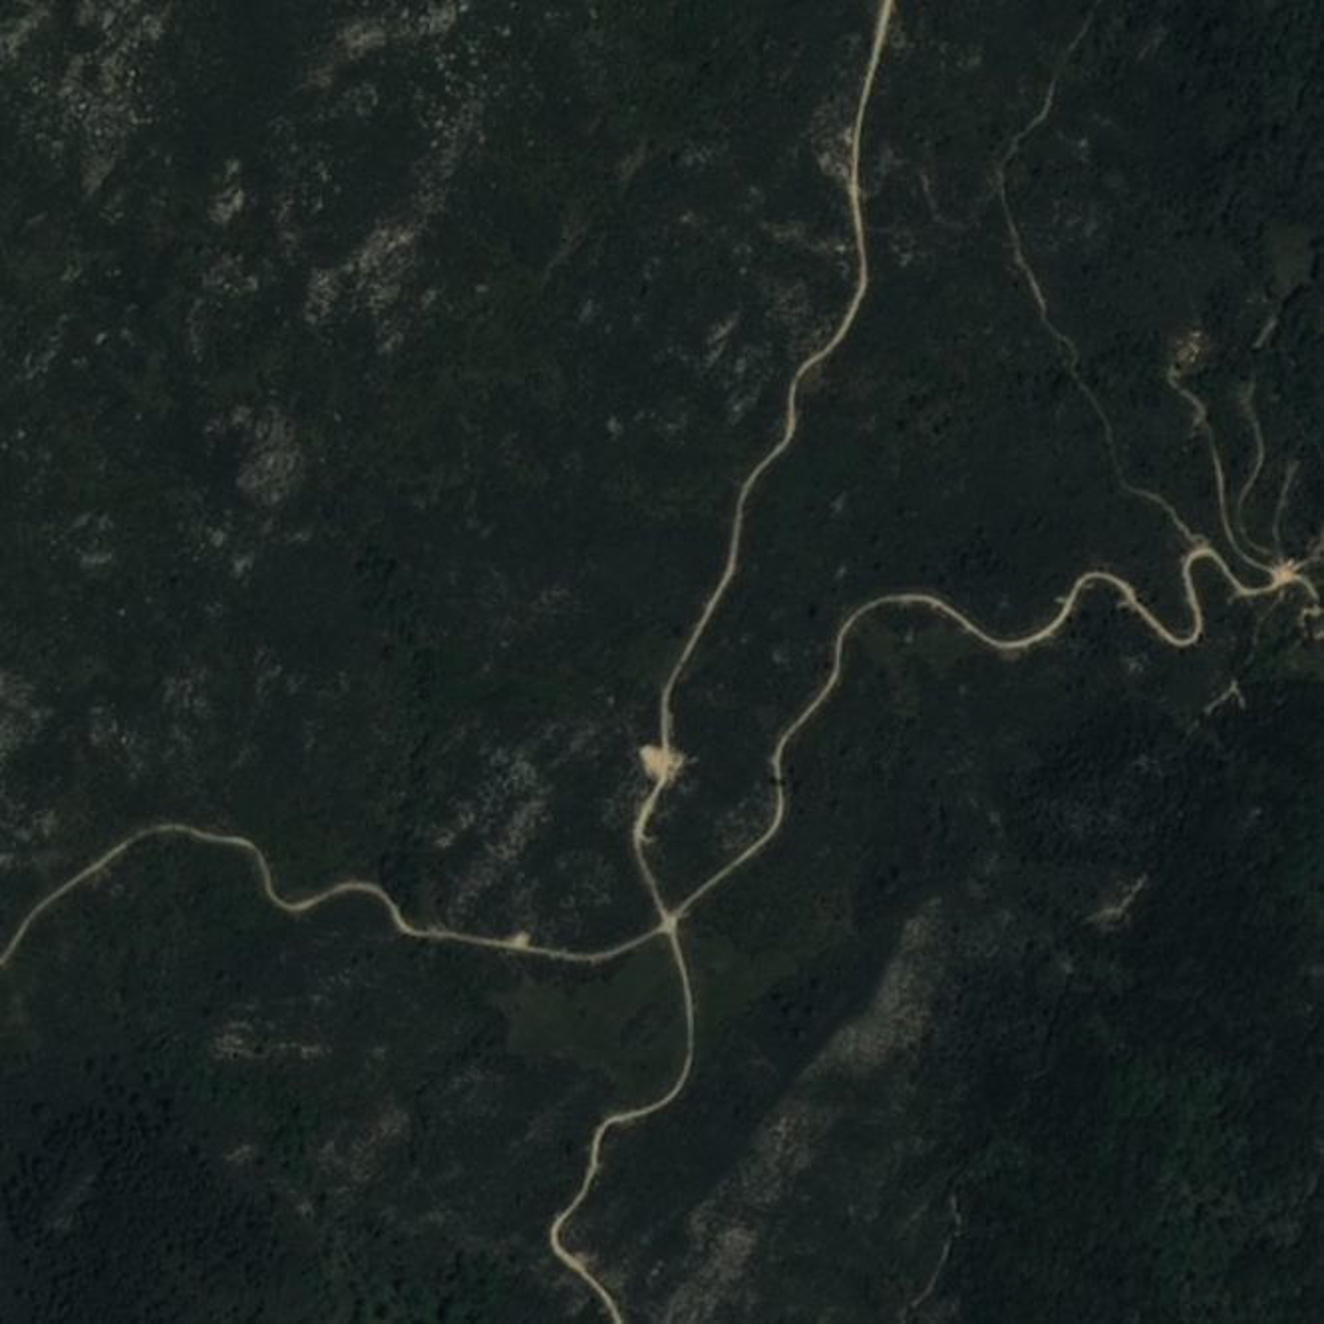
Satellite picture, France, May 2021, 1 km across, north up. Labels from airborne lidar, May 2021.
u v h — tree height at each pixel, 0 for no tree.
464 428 0
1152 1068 17
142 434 0
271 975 0
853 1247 0
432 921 0
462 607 0
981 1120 7
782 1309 0
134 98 0
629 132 0
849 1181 0
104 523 0
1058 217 0
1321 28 11
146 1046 10
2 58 0
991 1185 15
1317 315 11
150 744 0
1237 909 8
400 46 0
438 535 0
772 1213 0
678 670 0
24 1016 0
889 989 0
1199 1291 13
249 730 0
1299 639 10
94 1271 8
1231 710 7
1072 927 8
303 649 0
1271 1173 18
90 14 0
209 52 0
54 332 0
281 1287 12
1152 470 9
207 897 9
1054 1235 11
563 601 0
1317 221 19
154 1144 20
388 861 15
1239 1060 13
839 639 0
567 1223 0
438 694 11
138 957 11
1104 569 5
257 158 0
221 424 0
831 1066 0
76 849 0
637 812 0
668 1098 0
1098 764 8
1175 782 12
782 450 0
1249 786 19
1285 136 29
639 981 0
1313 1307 12
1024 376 10
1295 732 14
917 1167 6
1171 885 9
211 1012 6
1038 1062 7
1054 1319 8
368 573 9
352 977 0
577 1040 0
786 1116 0
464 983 6
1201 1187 19
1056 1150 8
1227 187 14
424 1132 10
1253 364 14
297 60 0
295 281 0
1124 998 8
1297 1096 7
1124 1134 15
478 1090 0
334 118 0
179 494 0
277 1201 17
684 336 0
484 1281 13
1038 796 7
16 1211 13
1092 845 6
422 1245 6
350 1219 12
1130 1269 14
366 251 0
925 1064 6
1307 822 17
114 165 0
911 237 0
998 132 5
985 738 0
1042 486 0
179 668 0
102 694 0
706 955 0
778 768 0
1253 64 10
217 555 0
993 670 0
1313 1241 8
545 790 0
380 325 0
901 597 0
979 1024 11
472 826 0
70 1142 16
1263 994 7
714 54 6
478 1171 0
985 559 7
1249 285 9
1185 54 10
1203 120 6
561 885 0
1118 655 7
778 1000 13
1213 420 8
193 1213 17
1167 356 9
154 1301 14
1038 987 7
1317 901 13
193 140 0
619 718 0
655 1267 0
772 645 0
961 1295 6
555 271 0
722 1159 0
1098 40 7
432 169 0
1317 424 10
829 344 0
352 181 0
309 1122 10
